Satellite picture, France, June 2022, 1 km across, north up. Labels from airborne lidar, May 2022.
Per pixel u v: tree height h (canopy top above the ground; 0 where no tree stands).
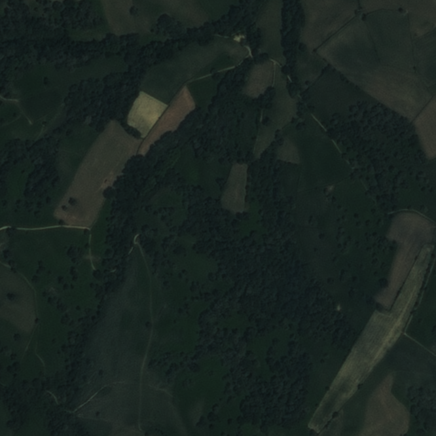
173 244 13
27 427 0
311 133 0
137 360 0
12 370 16
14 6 20
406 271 0
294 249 23
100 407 0
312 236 0
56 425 16
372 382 0
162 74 0
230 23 26
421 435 20
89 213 0
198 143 17
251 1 20
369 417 0
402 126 18
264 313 16
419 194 0
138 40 15
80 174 0
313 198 0
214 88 0
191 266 0
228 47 0
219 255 22
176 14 0
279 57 0
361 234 0
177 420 0
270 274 16
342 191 0
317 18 0
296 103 0
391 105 0
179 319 0
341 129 7
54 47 22
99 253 0
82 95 17
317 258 0
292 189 0
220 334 19
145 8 0
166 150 17
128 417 0
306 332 17
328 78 0
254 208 0
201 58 0
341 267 0
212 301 12
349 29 0
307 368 15
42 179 12
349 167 0
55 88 0
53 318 0
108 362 0
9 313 0
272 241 11
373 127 15
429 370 0
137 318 0
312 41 0
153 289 0
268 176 12
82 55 23
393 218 12
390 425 0
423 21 0
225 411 0
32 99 0
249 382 14
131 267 0
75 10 16
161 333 0
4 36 24
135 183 22
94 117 15
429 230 0
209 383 0
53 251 0
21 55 26
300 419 15
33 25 24
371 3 0
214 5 0
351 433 0
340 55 0
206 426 10
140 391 0
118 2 0
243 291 16
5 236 0
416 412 14
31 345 0
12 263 13
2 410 0
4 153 12
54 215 0
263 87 0
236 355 23
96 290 13
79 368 10
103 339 0
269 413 17
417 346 0
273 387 9
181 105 0
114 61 0
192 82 0
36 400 6
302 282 18
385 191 12
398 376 0
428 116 0
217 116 7
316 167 0
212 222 24
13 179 0
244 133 0
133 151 0
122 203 29
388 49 0
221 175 0
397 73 0
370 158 10
